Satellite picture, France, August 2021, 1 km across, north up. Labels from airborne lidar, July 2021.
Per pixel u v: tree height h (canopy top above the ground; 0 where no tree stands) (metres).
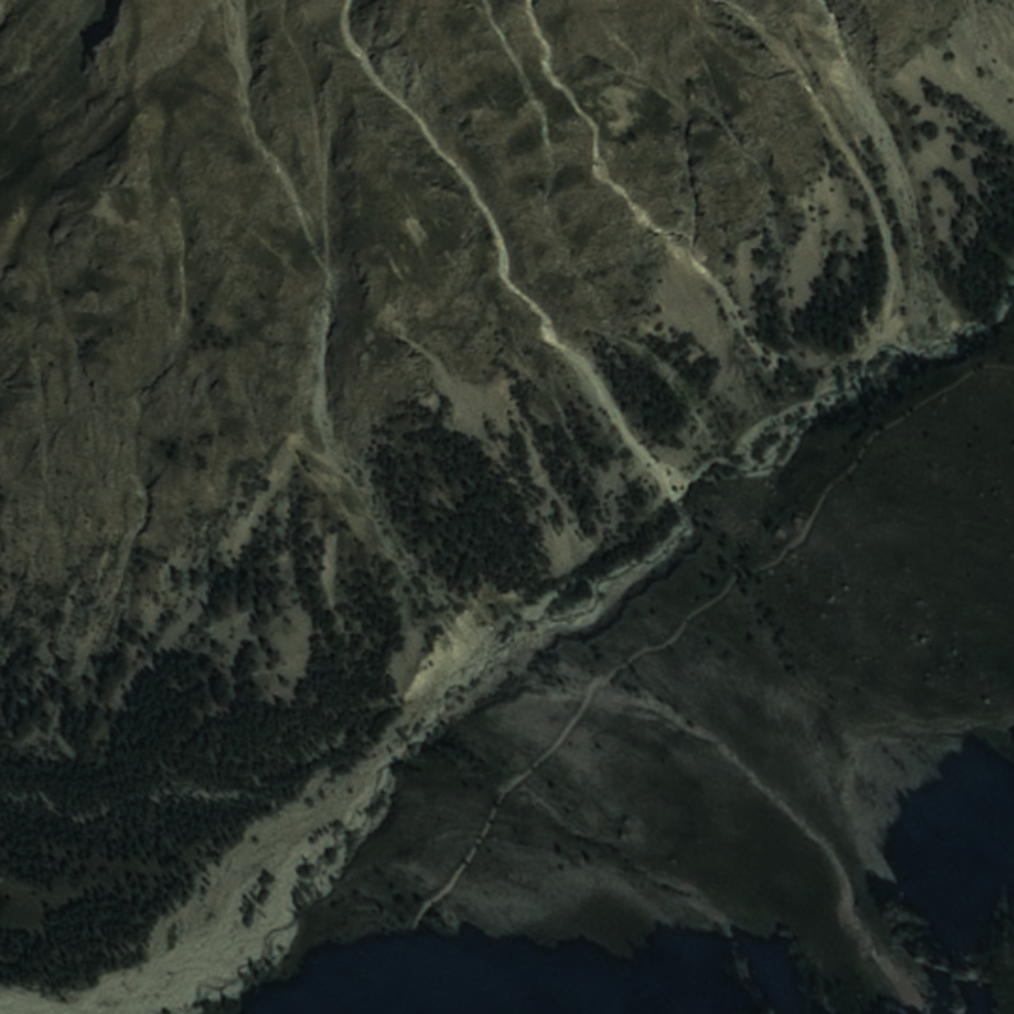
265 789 8
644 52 0
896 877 0
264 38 0
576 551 0
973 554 0
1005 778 0
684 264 0
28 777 16
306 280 0
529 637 0
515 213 0
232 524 0
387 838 0
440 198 0
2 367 0
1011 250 24
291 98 0
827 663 0
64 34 0
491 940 0
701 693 0
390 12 0
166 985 0
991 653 0
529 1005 0
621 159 0
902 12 0
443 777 0
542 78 0
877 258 23
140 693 24
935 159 0
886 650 0
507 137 0
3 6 0
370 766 0
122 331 0
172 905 6
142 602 0
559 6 0
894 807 0
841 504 0
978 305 13
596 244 0
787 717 0
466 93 0
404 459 14
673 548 0
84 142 0
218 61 0
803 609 0
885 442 0
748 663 0
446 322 0
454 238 0
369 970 0
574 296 0
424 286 0
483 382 0
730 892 0
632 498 9
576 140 0
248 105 0
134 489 0
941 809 0
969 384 0
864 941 0
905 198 0
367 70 0
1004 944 0
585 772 0
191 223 0
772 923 0
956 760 0
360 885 0
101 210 0
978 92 0
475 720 0
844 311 17
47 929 13
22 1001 0
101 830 6
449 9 0
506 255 0
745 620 0
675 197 0
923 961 0
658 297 0
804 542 0
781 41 0
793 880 0
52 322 0
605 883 0
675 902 0
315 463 0
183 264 0
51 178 0
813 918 0
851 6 9
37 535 0
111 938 17
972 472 0
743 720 0
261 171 0
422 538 17
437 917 6
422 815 0
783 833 0
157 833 7
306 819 0
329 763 11
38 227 0
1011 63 0
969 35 0
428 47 0
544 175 0
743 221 0
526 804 0
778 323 20
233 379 0
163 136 0
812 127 0
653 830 0
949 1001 0
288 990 0
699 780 0
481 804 0
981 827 0
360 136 0
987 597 0
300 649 0
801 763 0
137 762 22
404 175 0
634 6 0
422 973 0
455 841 0
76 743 25
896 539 0
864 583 0
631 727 0
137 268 0
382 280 0
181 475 0
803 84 0
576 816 0
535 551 8
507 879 0
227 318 0
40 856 10
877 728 0
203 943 0
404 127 0
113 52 0
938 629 0
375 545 0
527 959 0
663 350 10
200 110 0
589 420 7
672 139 0
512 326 0
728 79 0
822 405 7
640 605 0
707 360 6
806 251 0
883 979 0
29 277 0
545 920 0
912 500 0
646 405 7
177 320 0
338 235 0
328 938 0
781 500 0
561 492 11
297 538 8
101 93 0
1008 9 0
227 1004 10
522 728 0
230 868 0
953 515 0
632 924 0
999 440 0
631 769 0
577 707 0
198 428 0
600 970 0
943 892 0
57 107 0
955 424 0
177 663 20
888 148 0
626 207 0
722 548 8
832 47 0
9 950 16
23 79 0
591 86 0
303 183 0
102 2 0
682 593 0
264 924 0
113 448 0
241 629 0
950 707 0
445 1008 0
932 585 0
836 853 0
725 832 0
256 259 0
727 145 0
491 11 0
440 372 0
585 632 0
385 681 6
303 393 0
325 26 0
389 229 0
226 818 12
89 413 0
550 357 0
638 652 0
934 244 0
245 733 23
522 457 13
